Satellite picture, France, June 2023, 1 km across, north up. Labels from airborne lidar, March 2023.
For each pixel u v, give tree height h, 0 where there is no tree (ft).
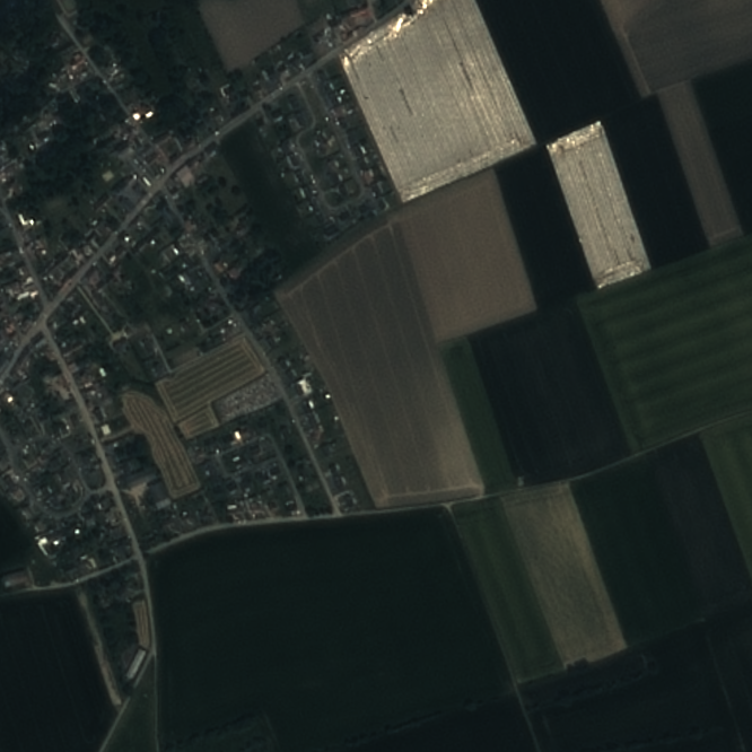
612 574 0
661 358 0
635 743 30
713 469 0
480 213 0
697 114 0
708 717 0
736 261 0
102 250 0
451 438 0
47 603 0
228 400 0
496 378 0
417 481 0
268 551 0
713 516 0
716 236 0
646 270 0
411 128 0
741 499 0
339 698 0
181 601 0
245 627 0
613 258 0
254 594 0
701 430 0
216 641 0
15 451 0
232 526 0
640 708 0
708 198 0
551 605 0
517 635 0
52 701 0
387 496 0
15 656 0
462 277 0
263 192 0
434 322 0
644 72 0
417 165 0
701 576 0
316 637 0
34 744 0
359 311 0
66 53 0
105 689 0
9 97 83
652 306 0
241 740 0
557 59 0
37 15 103
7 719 0
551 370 0
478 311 0
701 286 0
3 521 0
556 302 0
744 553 0
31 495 0
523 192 0
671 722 0
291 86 0
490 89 0
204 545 0
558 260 0
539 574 0
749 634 0
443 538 0
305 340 0
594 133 0
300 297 0
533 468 0
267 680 0
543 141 0
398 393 0
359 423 0
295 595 0
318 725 0
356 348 0
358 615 0
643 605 0
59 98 22
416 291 0
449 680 0
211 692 0
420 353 0
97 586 46
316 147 0
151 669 0
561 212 0
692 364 0
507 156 0
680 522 0
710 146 0
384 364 0
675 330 0
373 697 0
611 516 0
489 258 0
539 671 0
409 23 0
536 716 0
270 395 0
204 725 0
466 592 0
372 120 0
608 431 0
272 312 0
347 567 0
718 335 0
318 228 0
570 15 0
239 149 0
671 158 0
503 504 0
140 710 0
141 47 0
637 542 0
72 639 0
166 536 33
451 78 0
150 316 0
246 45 0
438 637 0
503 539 0
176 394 0
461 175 0
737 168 0
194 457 0
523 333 0
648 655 0
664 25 0
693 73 0
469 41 0
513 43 0
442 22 0
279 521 0
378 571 0
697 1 0
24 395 0
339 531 0
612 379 0
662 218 0
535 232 0
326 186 0
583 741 0
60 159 71
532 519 0
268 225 0
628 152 0
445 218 0
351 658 0
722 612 0
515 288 0
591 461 0
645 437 0
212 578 0
